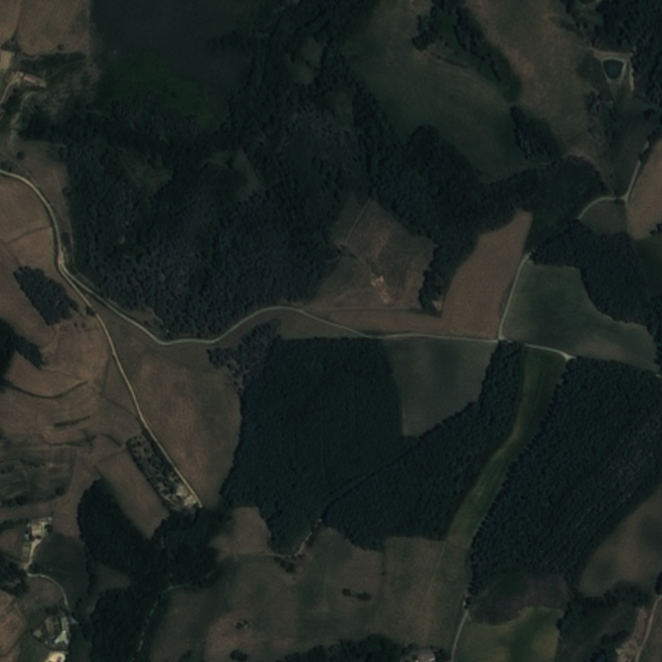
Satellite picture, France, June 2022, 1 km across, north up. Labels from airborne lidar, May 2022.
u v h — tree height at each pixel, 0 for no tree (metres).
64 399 0
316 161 10
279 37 27
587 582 0
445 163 19
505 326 0
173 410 0
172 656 0
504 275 0
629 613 0
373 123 21
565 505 14
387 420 21
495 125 0
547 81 0
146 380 0
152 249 18
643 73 12
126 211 15
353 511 33
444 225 20
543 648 0
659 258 0
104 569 0
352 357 32
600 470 14
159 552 11
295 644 0
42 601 0
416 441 21
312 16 14
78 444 0
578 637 0
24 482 0
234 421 0
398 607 0
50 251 0
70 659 12
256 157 8
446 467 30
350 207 0
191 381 0
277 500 27
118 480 0
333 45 17
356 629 0
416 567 0
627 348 0
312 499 26
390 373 31
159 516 0
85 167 19
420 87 0
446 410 0
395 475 31
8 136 0
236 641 0
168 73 0
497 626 0
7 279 0
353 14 28
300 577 0
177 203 20
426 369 0
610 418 26
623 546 0
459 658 0
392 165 23
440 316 0
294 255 16
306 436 23
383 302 0
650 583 0
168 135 15
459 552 0
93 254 11
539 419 0
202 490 0
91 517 20
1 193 0
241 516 0
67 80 0
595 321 0
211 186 15
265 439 30
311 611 0
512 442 0
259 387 27
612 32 18
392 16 0
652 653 0
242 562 0
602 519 11
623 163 0
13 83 0
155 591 7
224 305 14
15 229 0
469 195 18
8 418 0
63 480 0
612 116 12
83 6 0
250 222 18
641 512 0
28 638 0
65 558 0
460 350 0
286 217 17
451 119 0
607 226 0
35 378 0
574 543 11
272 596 0
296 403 33
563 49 0
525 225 0
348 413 15
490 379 17
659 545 0
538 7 0
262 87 15
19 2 0
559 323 0
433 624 0
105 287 9
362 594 7
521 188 15
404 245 0
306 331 0
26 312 0
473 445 22
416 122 0
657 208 0
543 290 0
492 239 0
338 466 21
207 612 0
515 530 27
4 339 11
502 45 0
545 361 0
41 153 0
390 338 0
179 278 17
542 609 0
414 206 35
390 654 12
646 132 0
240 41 12
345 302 0
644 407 12
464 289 0
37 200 0
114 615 6
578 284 0
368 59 0
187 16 0
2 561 12
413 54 0
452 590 0
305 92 19
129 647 11
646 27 18
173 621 0
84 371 0
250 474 32
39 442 0
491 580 28
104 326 0
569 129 0
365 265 0
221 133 21
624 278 32
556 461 29
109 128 28
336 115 8
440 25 8
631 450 9
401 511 32
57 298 18
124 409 0
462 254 16
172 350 0
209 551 10
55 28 0
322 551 0
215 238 9
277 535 9
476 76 0
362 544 27
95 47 0
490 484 0
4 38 0
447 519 14
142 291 7
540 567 15
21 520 6
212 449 0
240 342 0
